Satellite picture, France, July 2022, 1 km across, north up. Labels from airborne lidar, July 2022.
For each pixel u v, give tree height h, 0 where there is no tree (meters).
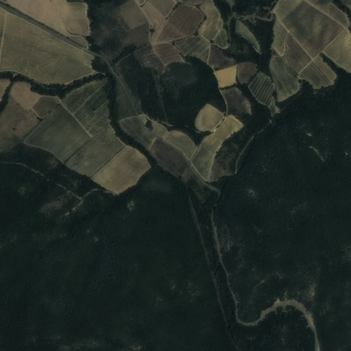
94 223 6
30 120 0
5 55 0
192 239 8
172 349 7
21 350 7
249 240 6
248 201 6
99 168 0
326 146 7
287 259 6
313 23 0
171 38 0
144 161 0
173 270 5
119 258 6
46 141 0
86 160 0
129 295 6
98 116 0
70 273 6
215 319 9
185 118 13
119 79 0
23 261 7
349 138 11
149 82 7
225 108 10
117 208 11
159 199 6
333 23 0
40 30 0
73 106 0
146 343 7
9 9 0
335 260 6
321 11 0
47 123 0
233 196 7
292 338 7
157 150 0
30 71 0
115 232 6
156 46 0
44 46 0
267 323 11
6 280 9
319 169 7
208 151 0
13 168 10
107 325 5
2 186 6
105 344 5
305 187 6
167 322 6
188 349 6
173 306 9
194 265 7
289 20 0
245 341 9
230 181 8
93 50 7
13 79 9
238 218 8
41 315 8
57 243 6
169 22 0
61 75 0
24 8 0
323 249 6
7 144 0
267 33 7
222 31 0
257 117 10
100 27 0
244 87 10
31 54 0
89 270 9
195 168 0
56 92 12
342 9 15
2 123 0
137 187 8
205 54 0
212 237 13
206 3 0
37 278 7
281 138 9
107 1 8
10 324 9
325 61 11
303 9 0
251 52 7
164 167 0
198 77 9
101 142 0
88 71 0
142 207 6
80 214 13
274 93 10
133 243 7
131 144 11
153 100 6
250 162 11
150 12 0
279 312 10
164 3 0
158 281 6
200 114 0
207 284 7
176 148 0
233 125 0
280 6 0
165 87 7
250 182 6
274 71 0
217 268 11
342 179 8
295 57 0
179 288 7
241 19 7
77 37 0
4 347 6
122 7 0
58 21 0
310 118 11
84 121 0
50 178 7
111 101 10
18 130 0
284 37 0
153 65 0
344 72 5
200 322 7
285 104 10
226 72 0
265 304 6
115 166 0
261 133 7
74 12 0
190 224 7
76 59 0
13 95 0
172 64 6
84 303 6
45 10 0
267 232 6
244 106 0
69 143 0
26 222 7
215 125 0
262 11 8
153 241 6
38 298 10
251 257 6
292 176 10
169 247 7
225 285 7
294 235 6
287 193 7
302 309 0
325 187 7
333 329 6
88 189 7
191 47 0
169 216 6
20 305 8
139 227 6
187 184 6
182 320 7
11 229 6
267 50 6
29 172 7
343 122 10
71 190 7
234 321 9
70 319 7
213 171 0
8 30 0
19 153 7
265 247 6
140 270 7
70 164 0
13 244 8
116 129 16
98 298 6
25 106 0
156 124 0
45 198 6
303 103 15
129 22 0
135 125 0
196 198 9
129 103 0
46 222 9
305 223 5
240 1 8
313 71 0
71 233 10
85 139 0
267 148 7
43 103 0
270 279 7
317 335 6
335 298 7
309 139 7
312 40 0
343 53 0
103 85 0
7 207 7
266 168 5
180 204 7
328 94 9
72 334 6
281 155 9
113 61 11
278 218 6
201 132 7
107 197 9
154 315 8
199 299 11
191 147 0
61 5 0
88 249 7
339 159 6
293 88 0
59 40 0
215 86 11
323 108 8
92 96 0
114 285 6
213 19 0
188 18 0
